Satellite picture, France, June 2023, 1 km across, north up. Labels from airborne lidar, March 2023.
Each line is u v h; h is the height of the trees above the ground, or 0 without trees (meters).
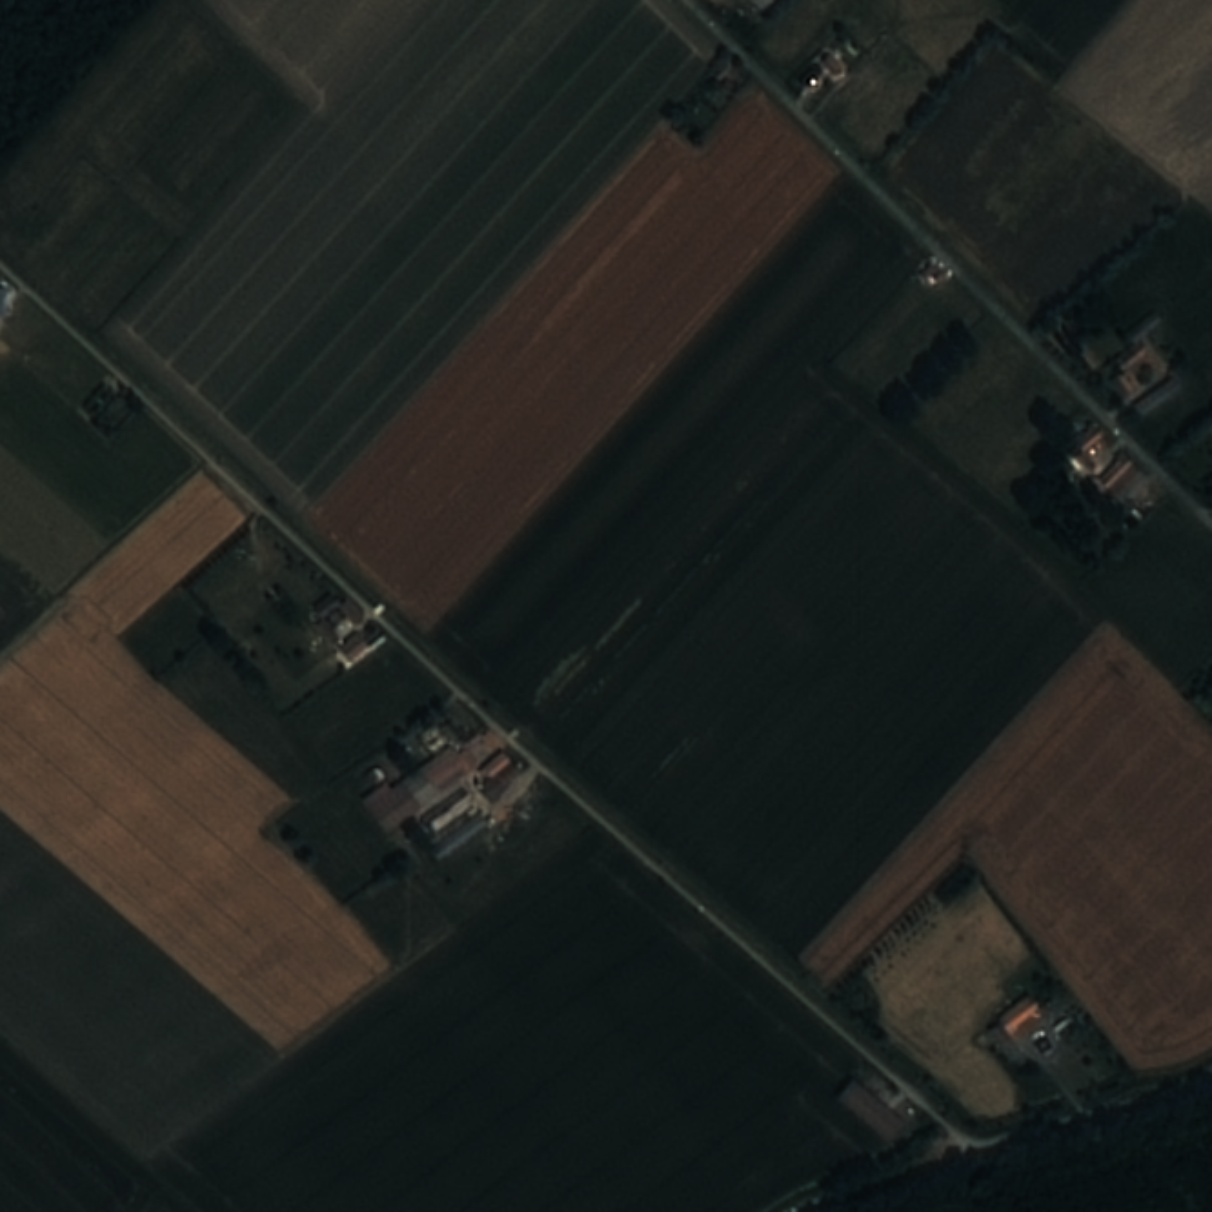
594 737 0
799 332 0
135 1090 0
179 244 0
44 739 0
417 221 0
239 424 0
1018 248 0
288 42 0
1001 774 0
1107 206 0
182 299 0
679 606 0
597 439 0
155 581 0
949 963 0
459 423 0
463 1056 0
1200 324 0
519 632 0
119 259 0
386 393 0
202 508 0
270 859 0
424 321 0
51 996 0
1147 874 0
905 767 0
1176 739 0
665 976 0
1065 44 0
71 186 0
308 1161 0
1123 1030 0
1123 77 0
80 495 0
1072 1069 0
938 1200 20
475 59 0
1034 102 0
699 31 0
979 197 0
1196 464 0
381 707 0
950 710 0
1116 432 0
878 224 0
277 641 0
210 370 0
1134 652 0
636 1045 0
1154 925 0
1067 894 0
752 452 0
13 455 0
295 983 0
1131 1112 15
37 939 0
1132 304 0
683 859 0
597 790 0
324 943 0
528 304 0
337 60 0
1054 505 17
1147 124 0
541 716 0
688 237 0
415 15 0
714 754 0
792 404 0
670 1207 0
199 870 0
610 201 0
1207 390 0
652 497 0
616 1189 0
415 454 0
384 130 0
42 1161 0
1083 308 15
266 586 0
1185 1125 21
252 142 0
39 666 0
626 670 0
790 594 0
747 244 0
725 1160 0
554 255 0
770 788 0
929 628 0
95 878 0
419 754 0
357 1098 0
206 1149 0
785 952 0
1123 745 0
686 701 0
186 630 0
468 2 0
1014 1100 0
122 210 0
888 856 0
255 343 0
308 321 0
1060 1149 19
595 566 0
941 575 0
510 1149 0
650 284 0
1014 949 0
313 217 0
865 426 0
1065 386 0
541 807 0
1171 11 0
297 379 0
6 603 0
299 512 0
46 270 0
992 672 0
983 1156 10
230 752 0
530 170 0
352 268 0
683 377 0
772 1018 0
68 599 0
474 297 0
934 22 0
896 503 0
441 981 0
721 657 0
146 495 0
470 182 0
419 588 0
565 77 0
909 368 0
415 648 0
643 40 0
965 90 0
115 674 0
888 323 0
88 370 0
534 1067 0
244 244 0
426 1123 0
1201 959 0
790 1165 0
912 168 0
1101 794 0
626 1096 0
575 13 0
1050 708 0
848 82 0
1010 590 0
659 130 0
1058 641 0
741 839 0
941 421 0
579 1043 0
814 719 0
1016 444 0
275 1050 0
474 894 0
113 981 0
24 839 0
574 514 0
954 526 0
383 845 0
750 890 0
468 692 0
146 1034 0
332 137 0
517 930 0
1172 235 0
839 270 0
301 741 0
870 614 0
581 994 0
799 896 0
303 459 0
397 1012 0
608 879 0
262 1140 0
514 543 0
